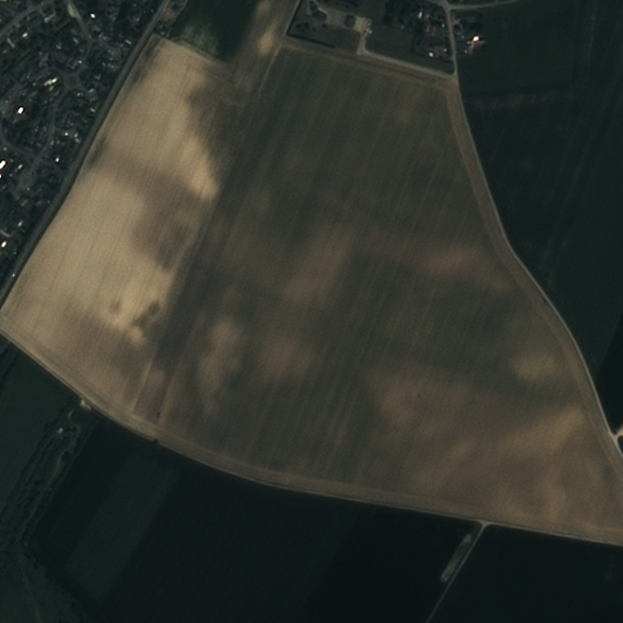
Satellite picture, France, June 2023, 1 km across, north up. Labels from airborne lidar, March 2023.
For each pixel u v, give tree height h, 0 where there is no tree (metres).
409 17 7
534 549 0
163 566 0
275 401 0
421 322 0
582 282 0
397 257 0
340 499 0
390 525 0
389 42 0
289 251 0
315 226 0
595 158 0
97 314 0
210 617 0
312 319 0
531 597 0
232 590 0
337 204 0
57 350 0
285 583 0
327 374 0
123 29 12
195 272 0
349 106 0
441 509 0
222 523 0
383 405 0
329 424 0
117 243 0
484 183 0
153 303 0
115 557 0
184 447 0
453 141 0
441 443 0
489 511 0
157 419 0
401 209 0
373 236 0
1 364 6
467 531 0
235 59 0
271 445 0
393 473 0
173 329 0
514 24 0
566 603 0
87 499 0
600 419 0
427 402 0
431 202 0
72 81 0
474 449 0
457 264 0
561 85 0
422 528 0
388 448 0
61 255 0
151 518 0
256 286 0
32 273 0
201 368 0
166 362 0
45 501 6
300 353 0
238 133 0
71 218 0
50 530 0
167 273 0
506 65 0
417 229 0
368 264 0
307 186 0
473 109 0
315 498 0
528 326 0
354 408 0
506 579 0
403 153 0
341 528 0
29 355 0
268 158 0
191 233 0
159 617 0
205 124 0
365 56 0
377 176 0
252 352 0
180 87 0
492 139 0
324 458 0
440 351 0
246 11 0
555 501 0
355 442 0
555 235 0
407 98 0
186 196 0
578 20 0
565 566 0
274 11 0
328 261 0
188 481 0
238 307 0
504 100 0
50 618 0
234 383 0
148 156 0
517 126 0
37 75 0
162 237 0
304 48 0
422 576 0
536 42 0
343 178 0
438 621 0
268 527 0
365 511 0
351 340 0
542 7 0
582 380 0
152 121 0
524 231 0
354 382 0
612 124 0
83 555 0
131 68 0
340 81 0
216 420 0
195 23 0
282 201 0
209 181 0
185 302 0
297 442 0
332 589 0
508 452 0
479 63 0
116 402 0
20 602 0
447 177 0
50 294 0
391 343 0
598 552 0
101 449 0
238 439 0
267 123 0
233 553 0
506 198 0
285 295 0
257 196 0
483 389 0
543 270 0
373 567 0
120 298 0
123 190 0
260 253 0
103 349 0
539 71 0
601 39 0
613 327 0
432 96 0
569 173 0
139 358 0
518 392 0
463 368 0
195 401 0
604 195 0
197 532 0
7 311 0
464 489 0
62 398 0
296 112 0
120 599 0
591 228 0
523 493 0
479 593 0
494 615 0
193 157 0
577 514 0
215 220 0
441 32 0
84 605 0
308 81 0
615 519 0
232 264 0
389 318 0
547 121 0
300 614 0
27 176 0
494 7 0
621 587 0
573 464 0
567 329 0
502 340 0
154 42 0
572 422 0
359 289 0
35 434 0
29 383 0
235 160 0
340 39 0
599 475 0
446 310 0
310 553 0
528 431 0
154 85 0
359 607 0
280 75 0
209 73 0
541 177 0
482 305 0
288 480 0
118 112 0
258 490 0
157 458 0
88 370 0
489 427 0
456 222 0
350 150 0
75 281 0
